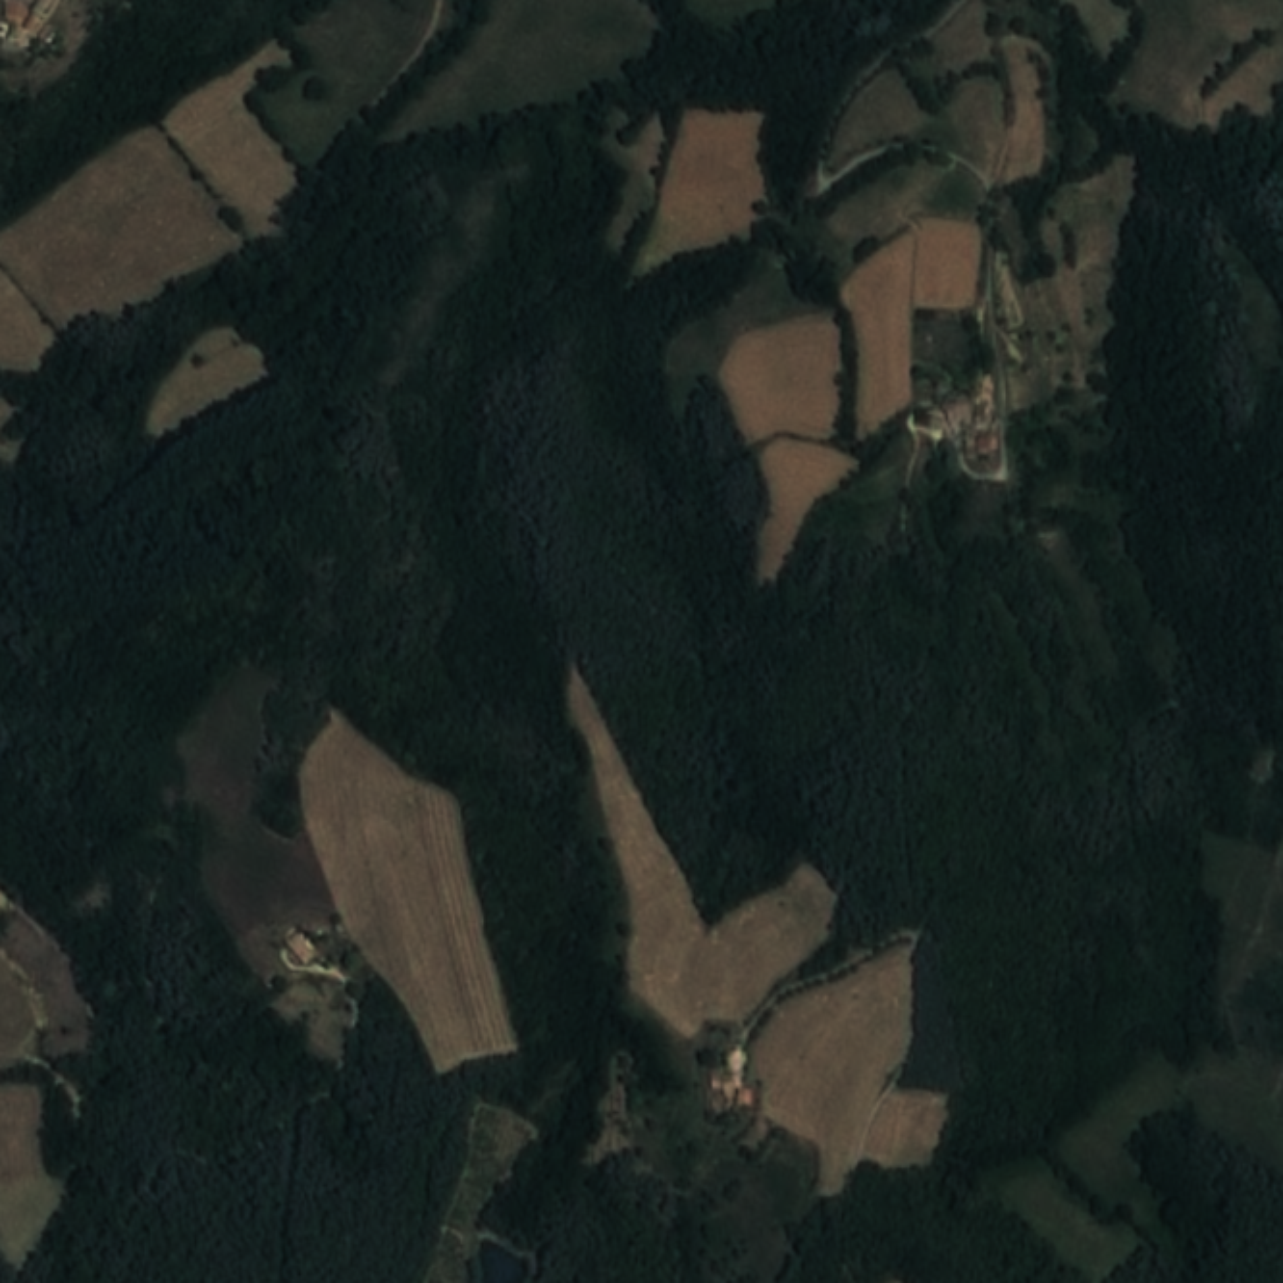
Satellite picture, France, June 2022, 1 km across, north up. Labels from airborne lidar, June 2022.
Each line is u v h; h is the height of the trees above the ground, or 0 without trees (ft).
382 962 0
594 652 52
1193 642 52
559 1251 61
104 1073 42
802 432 0
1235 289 48
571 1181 49
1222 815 26
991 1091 46
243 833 0
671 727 49
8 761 39
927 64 0
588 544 58
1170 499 52
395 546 22
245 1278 63
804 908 0
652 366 24
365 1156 30
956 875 37
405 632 64
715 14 0
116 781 29
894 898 45
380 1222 60
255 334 46
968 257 0
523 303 81
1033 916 56
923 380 27
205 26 26
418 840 0
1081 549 26
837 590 32
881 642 28
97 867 22
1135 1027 29
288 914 0
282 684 22
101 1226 20
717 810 44
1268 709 35
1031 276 22
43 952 0
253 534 47
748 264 40
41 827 41
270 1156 48
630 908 0
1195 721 65
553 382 42
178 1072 53
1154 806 41
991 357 38
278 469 48
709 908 35
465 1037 0
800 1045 0
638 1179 32
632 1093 36
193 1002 31
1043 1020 59
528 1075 42
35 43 19
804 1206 0
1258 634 38
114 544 97
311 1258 60
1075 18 44
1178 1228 46
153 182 0
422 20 0
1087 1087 33
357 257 35
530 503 50
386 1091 43
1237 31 0
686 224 0
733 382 0
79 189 0
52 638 35
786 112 51
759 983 0
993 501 0
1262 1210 44
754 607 26
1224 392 41
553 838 52
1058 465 23
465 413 46
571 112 41
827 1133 0
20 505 44
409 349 0
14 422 33
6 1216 0
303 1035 22
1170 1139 65
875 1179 32
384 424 33
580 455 52
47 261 0
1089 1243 0
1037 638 49
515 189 28
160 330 69
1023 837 49
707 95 60
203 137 0
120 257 0
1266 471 18
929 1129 0
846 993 0
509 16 0
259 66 0
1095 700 33
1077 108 44
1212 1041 18
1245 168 29
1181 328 48
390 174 58
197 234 0
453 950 0
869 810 54
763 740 32
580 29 0
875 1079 0
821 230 0
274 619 26
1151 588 35
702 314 45
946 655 40
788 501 0
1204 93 28
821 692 37
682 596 26
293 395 62
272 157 0
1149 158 59
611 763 0
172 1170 51
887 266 0
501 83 0
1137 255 64
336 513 34
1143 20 20
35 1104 0
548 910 41
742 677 41
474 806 28
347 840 0
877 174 22
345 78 0
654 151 0
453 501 61
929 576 57
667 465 47
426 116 0
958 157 0
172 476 111
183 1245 45
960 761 48
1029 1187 0
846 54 29
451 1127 43
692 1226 32
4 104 31
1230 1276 67
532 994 20
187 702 27
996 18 44
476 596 52
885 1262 43
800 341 0
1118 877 41
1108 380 32
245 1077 45
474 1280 39
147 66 28
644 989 0
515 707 27
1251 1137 0
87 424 85
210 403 0
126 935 46
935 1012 35
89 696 49
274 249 92
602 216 61
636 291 37
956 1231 46
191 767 0
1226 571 32
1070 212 0
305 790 0
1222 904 25
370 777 0
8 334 0
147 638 51
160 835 0
